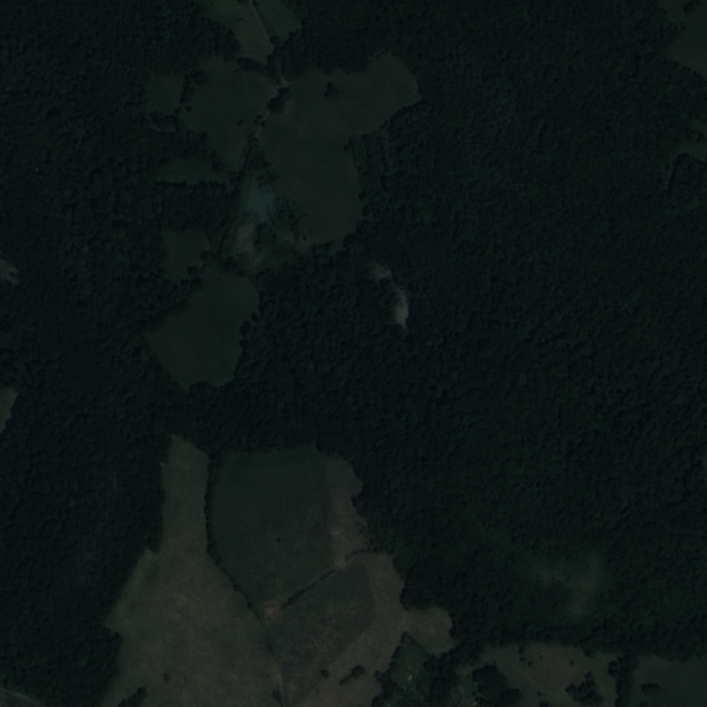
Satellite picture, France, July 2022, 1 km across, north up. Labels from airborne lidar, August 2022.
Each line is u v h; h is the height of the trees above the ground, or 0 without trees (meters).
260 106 0
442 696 13
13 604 16
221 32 14
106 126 17
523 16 17
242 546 0
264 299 16
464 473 16
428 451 15
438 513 18
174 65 15
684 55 0
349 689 0
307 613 0
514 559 8
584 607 0
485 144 18
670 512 20
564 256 18
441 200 18
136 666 0
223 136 0
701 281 18
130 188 26
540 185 15
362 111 0
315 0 16
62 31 15
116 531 15
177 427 15
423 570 8
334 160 0
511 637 7
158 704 0
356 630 0
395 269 19
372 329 18
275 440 15
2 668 17
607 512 8
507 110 23
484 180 17
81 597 12
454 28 16
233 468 0
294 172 0
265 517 0
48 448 25
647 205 18
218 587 0
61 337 18
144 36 10
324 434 22
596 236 20
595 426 7
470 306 18
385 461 18
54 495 16
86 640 19
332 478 0
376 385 22
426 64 12
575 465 20
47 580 17
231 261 10
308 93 0
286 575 0
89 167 21
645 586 13
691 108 17
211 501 11
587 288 16
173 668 0
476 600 16
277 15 0
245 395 15
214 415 15
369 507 14
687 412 22
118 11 17
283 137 0
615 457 22
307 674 0
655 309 24
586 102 22
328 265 14
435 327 21
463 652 10
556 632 15
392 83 0
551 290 21
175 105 0
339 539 0
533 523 12
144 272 24
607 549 10
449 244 16
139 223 23
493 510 16
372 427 20
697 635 14
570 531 9
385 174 7
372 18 8
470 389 19
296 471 0
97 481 17
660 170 10
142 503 16
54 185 24
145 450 18
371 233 19
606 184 19
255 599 0
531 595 7
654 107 19
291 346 23
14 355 14
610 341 19
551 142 19
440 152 19
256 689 0
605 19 20
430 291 14
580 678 0
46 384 22
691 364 23
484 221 20
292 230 6
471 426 12
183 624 0
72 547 14
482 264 16
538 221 15
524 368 23
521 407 21
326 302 19
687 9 15
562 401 22
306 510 0
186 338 0
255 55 0
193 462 0
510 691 8
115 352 21
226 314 0
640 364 20
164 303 18
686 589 10
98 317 22
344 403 20
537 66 11
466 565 6
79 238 22
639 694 0
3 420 0
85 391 17
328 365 22
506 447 16
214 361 0
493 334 23
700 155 0
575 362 23
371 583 0
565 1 16
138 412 19
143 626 0
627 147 18
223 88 0
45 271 14
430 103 17
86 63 16
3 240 23
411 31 10
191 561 0
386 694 11
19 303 22
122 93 14
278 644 0
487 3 18
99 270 29
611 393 28
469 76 19
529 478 7
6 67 28
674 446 18
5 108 16
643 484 18
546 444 18
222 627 0
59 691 18
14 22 14
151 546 17
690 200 20
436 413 21
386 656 0
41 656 21
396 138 17
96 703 14
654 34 18
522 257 14
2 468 21
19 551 22
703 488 22
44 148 15
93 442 14
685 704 0
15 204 17
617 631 12
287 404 25
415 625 0
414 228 17
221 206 19
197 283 18
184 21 18
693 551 5
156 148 13
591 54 19
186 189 17
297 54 15
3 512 19
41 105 29
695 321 13
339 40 14
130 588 0
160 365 19
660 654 21
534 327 8
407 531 17
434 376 25
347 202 0
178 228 15
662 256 17
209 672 0
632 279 17
